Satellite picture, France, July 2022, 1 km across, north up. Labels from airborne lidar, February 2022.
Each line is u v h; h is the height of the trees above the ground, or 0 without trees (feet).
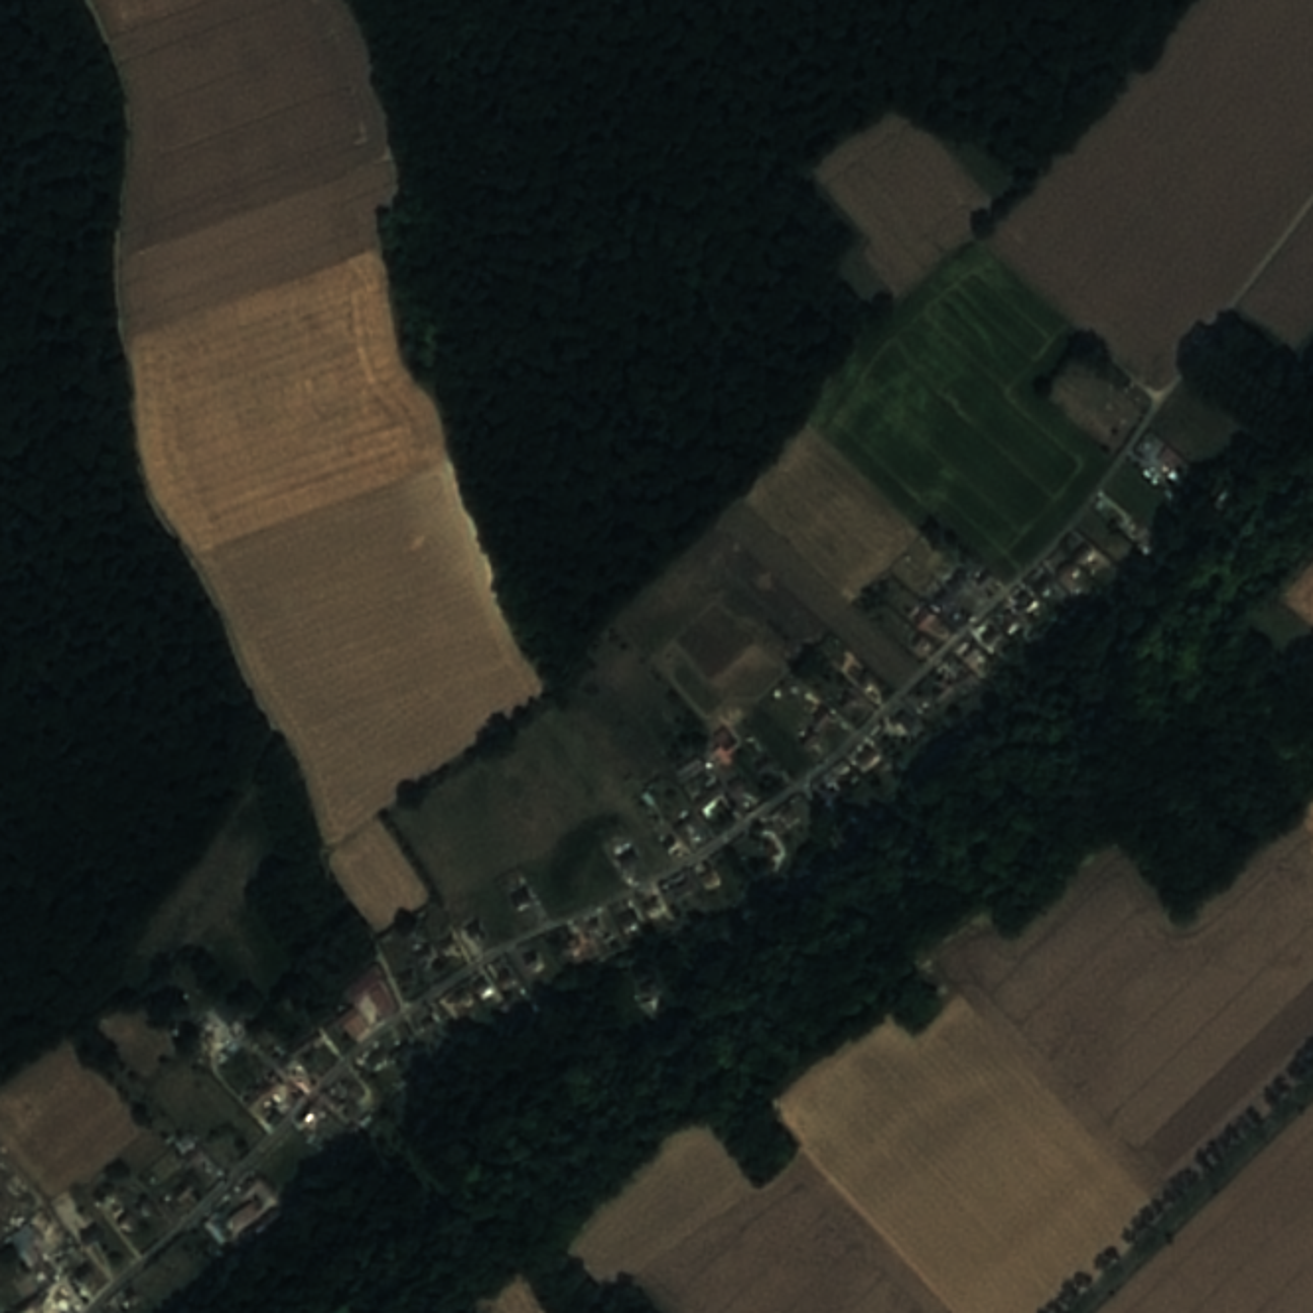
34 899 90
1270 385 112
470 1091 74
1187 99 0
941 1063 0
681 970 35
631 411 19
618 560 74
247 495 0
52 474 81
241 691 54
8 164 40
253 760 62
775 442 66
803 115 85
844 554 0
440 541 0
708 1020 51
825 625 0
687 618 0
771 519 0
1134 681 85
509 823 0
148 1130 22
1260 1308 0
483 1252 73
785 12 88
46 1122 0
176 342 0
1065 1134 0
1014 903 57
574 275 88
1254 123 0
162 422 0
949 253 0
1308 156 0
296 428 0
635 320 81
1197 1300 0
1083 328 0
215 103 0
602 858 0
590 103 75
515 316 78
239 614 0
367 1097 0
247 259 0
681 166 83
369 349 0
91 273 81
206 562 0
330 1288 61
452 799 0
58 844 81
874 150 0
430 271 71
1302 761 47
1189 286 0
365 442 0
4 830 77
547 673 51
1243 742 62
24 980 85
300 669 0
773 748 0
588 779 0
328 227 0
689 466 84
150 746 81
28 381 76
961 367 0
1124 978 0
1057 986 0
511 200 73
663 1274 0
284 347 0
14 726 80
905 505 0
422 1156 78
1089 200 0
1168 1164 0
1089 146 0
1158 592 87
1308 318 0
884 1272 0
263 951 0
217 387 0
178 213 0
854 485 0
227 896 0
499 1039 61
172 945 0
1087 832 68
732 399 87
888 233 0
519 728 30
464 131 63
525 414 79
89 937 67
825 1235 0
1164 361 0
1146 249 0
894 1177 0
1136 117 0
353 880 0
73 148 71
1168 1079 0
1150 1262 0
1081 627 79
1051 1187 0
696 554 0
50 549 68
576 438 84
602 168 77
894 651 0
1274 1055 0
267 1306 76
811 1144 0
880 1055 0
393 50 59
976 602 0
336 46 0
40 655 64
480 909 0
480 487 63
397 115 61
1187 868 68
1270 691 67
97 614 74
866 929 78
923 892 79
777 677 0
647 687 0
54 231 56
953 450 0
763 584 0
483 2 62
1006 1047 0
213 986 57
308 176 0
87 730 84
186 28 0
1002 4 86
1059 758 59
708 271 75
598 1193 65
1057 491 0
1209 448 0
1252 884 0
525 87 82
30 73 90
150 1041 0
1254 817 73
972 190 0
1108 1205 0
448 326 29
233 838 0
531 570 61
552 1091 82
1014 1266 0
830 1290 0
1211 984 0
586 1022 83
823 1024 67
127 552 58
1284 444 88
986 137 42
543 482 81
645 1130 58
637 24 80
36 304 84
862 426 0
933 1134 0
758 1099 54
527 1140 76
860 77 76
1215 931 0
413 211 69
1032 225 0
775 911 88
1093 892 0
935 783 90
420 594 0
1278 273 0
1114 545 0
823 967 92
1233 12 0
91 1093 0
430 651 0
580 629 80
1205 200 0
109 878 71
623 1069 52
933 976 0
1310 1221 0
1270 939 0
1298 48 0
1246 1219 0
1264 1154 0
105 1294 0
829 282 81
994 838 77
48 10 73
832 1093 0
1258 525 57
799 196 84
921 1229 0
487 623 0
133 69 0
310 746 0
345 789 0
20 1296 0
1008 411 0
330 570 0
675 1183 0
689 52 87
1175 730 75
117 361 66
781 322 73
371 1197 74
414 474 0
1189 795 86
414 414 0
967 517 0
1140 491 0
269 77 0
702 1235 0
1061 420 0
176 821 72
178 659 80
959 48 74
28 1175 0
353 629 0
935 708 0
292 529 0
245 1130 0
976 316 0
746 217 81
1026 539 0
